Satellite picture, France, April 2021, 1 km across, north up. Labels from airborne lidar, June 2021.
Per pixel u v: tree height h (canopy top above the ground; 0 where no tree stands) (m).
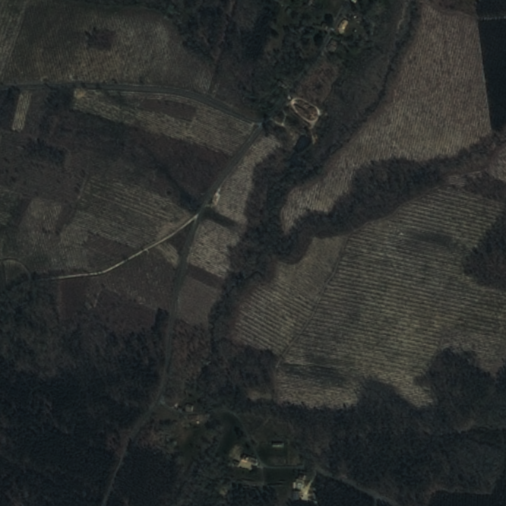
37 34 0
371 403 18
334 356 0
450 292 0
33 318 12
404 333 0
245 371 12
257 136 0
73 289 0
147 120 0
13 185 13
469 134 0
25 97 0
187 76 0
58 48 0
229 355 17
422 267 0
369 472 20
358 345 0
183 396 16
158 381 20
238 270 16
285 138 10
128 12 0
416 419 19
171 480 15
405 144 0
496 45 7
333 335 0
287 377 0
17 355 11
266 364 15
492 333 0
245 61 15
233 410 13
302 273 0
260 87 17
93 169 0
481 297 0
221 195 0
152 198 0
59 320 16
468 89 0
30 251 0
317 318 0
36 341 10
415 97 0
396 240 0
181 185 0
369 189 18
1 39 0
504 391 18
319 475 14
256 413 14
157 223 0
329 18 13
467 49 0
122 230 0
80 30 0
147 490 13
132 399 20
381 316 0
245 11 19
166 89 0
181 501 21
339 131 0
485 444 10
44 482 16
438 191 0
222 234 0
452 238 0
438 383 13
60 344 11
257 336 0
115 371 13
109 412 14
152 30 0
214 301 0
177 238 0
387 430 22
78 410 20
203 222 0
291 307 0
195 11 23
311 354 0
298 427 19
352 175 0
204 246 0
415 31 21
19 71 0
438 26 0
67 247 0
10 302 9
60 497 19
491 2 15
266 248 20
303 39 12
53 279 15
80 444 19
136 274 0
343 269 0
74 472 18
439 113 0
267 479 0
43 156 20
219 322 20
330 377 0
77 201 0
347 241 0
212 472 16
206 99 0
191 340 8
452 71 0
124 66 0
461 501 7
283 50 8
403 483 20
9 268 0
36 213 0
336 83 15
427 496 9
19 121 0
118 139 0
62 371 14
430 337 0
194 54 20
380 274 0
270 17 15
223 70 17
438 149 0
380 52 14
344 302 0
